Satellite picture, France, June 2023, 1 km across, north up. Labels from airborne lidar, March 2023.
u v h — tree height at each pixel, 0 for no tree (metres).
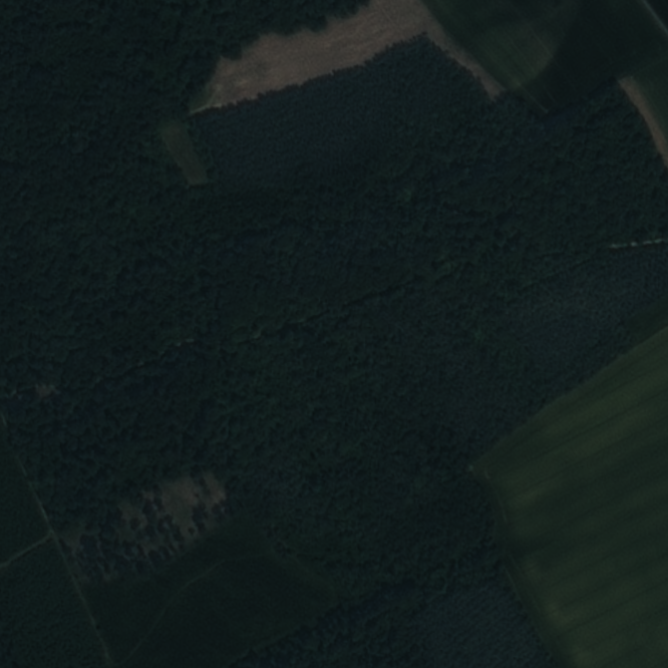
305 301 20
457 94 13
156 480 11
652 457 0
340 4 16
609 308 14
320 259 20
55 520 26
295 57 0
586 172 13
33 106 26
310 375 24
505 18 0
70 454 28
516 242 23
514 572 0
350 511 17
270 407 9
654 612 0
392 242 7
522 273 13
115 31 10
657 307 0
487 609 14
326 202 21
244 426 15
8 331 26
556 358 13
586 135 19
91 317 27
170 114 13
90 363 20
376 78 17
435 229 18
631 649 0
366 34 0
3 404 26
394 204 12
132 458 24
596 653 0
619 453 0
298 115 13
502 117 26
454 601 14
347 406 11
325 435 14
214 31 17
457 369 23
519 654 12
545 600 0
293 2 24
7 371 10
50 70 20
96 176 25
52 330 16
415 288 21
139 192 21
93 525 27
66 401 26
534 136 29
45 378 24
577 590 0
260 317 26
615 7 0
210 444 23
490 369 22
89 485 27
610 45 0
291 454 18
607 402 0
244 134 12
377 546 10
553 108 0
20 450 29
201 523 27
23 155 28
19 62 22
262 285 23
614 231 10
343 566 20
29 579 6
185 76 18
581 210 19
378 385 14
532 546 0
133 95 27
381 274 21
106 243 25
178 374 28
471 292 15
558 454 0
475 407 18
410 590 30
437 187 20
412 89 17
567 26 0
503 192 26
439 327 22
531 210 24
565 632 0
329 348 19
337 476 8
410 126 18
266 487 12
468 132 22
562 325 16
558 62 0
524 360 13
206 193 14
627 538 0
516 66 0
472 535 25
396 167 23
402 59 14
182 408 29
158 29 6
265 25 21
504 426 19
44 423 32
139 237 9
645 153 15
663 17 0
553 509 0
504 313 15
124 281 30
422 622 14
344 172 21
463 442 22
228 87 0
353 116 15
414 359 16
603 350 16
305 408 16
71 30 10
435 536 21
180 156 0
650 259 15
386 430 17
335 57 0
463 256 13
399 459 15
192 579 0
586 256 6
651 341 0
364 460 16
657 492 0
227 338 25
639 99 0
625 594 0
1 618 17
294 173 15
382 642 22
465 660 15
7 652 23
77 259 32
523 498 0
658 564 0
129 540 0
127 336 10
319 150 15
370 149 20
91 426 9
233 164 15
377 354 19
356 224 23
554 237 8
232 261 28
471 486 15
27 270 25
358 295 6
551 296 15
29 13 24
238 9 26
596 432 0
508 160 30
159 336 9
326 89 13
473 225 24
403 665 23
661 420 0
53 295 29
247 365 9
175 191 15
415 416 18
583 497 0
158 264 25
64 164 24
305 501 22
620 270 13
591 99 8
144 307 6
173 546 0
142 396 28
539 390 18
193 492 0
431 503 15
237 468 18
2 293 29
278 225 26
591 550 0
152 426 26
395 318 19
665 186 6
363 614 31
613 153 18
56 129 25
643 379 0
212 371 25
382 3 0
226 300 27
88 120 16
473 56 0
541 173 22
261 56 0
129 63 19
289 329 22
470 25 0
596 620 0
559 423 0
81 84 10
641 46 0
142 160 25
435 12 0
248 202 15
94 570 28
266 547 0
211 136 14
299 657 24
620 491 0
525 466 0
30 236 28
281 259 17
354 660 19
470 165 11
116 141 23
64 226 20
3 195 24
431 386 18
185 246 9
